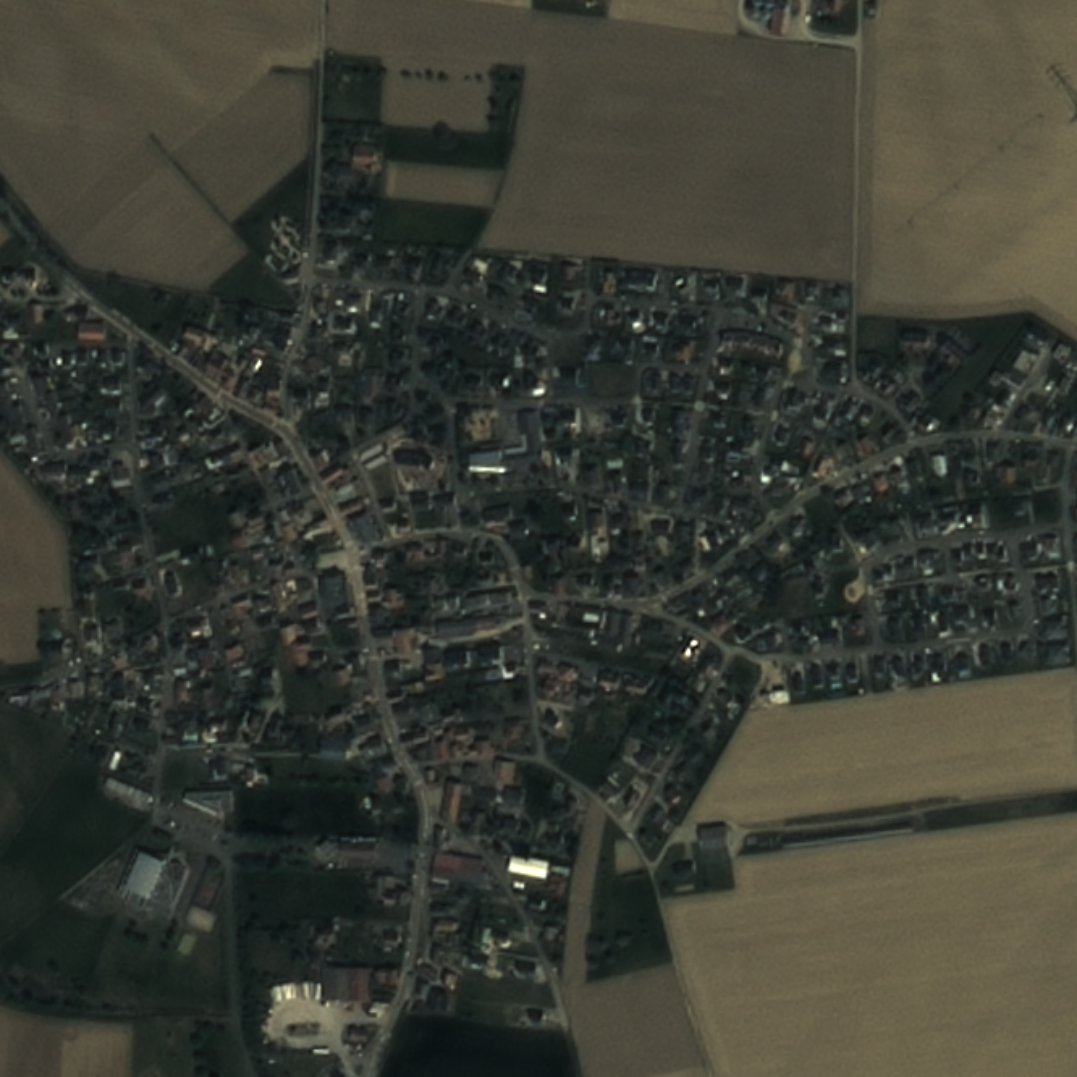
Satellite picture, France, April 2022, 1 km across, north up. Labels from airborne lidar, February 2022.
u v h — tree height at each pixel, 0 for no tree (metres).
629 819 0
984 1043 0
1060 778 0
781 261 0
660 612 0
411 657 0
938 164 0
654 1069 0
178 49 0
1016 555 0
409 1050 0
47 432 0
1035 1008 0
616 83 0
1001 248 0
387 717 0
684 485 0
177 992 0
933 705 0
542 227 0
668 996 0
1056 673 0
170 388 0
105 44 0
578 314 0
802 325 0
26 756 0
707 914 0
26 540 0
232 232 0
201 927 0
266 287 0
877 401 0
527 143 0
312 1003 0
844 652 0
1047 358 0
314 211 0
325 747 0
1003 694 0
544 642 0
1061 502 0
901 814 0
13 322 0
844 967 0
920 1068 0
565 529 0
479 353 0
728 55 0
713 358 0
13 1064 0
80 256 0
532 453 0
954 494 0
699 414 0
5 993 14
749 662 0
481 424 0
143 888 0
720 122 0
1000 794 0
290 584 0
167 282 0
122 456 0
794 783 0
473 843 0
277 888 0
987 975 0
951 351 0
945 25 0
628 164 0
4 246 0
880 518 0
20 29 0
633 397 0
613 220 0
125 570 0
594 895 0
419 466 0
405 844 0
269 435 0
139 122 0
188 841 0
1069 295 0
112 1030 0
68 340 0
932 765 0
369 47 0
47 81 0
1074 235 0
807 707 0
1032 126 0
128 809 0
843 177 0
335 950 7
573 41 0
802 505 0
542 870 0
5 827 0
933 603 0
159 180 0
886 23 0
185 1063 0
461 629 0
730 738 0
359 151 0
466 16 0
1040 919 0
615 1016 0
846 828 0
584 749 0
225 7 0
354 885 0
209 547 0
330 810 0
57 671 0
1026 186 0
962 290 0
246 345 0
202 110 0
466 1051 0
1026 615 0
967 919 0
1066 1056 0
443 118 0
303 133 0
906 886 0
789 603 0
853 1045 0
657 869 0
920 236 0
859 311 0
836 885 0
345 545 0
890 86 0
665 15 0
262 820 0
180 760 0
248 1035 6
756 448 0
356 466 0
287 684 0
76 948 0
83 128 0
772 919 0
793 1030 0
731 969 0
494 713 10
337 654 0
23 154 0
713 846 0
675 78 0
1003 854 0
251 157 0
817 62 0
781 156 0
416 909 0
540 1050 0
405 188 0
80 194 0
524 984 0
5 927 0
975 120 0
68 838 0
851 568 0
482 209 0
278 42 0
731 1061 0
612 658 0
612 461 0
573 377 0
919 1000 0
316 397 0
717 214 0
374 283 0
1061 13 0
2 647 0
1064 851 0
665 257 0
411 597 6
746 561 6
